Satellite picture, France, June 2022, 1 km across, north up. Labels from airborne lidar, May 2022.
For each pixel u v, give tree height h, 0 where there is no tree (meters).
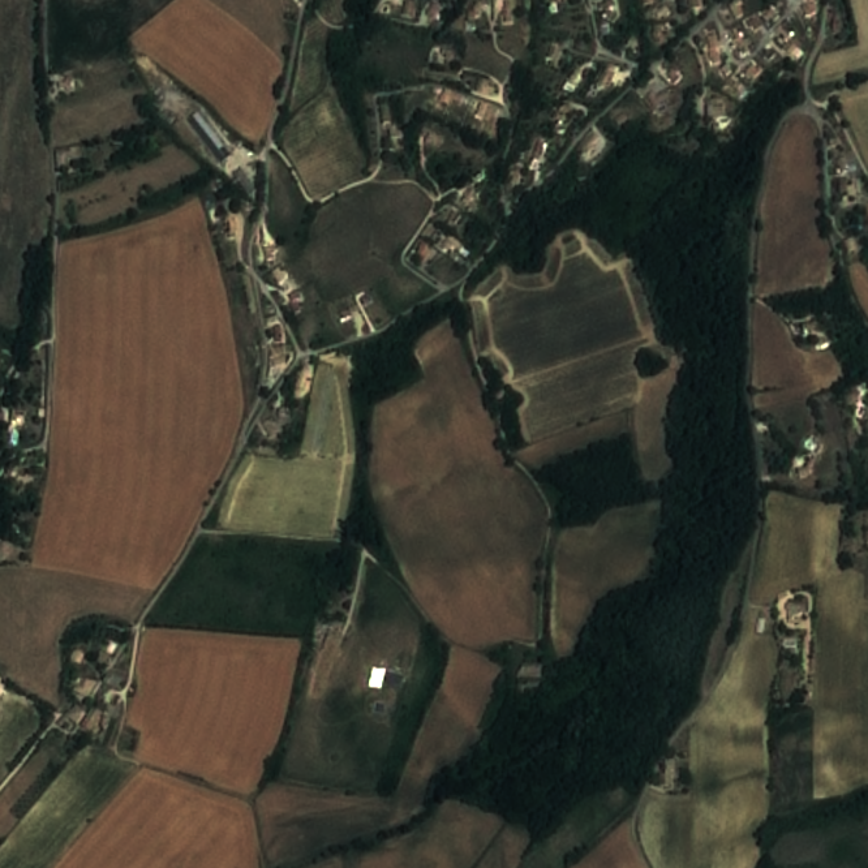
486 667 0
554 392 0
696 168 14
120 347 0
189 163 0
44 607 0
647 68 11
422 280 0
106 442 0
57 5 0
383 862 0
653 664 13
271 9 0
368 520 9
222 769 0
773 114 11
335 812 0
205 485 0
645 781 9
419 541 0
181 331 0
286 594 0
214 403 0
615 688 20
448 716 0
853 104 0
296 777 0
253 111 0
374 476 0
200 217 0
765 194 0
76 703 10
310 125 0
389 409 0
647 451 0
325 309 0
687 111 7
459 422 0
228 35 0
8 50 0
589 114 6
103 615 6
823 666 0
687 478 17
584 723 19
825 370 0
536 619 0
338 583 11
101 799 0
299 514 0
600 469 9
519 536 0
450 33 12
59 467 0
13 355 12
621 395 0
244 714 0
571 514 13
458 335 11
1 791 0
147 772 0
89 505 0
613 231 12
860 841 0
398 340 7
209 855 0
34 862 0
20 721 0
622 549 0
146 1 0
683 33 11
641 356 13
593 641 20
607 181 8
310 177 0
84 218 0
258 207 12
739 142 15
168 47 0
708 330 19
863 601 0
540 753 27
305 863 0
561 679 13
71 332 0
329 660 0
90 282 0
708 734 0
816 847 0
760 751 0
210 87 0
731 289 19
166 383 0
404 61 0
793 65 7
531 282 0
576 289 0
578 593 0
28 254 13
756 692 0
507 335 0
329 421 0
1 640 0
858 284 0
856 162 0
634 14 10
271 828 0
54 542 0
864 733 0
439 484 0
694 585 10
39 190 0
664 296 17
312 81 0
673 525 18
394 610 0
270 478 0
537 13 7
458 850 0
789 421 0
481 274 13
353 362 10
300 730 0
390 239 0
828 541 0
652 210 6
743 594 7
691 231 23
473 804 12
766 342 0
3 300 0
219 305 0
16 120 0
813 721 0
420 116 14
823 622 0
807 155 0
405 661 0
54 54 0
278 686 0
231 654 0
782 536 0
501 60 0
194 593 0
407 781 0
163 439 0
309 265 0
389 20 7
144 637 0
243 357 0
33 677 0
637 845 0
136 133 16
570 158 7
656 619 9
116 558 0
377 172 0
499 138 13
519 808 18
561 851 0
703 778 0
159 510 0
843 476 12
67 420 0
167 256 0
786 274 0
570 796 18
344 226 0
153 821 0
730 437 8
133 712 0
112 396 0
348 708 0
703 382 25
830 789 0
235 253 0
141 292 0
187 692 0
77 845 0
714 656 0
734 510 19
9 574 0
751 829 0
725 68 0
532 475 8
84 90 0
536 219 23
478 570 0
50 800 0
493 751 11
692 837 0
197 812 0
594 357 0
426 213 0
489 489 0
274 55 0
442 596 0
